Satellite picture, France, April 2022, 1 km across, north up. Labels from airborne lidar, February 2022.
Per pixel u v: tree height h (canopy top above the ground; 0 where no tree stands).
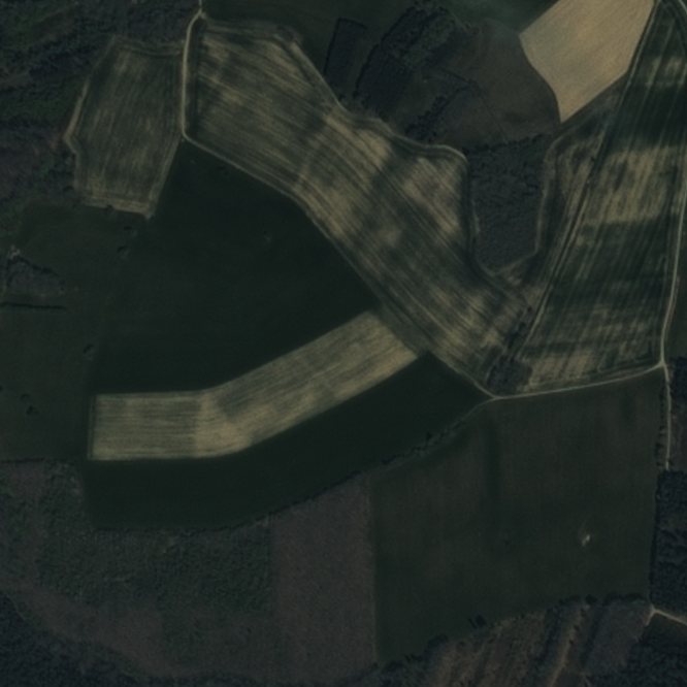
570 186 0
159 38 21
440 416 0
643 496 0
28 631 29
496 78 0
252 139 0
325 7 0
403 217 0
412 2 0
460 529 0
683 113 0
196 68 0
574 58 0
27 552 21
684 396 30
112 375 0
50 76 23
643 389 0
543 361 0
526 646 0
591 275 0
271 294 0
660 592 27
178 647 16
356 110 0
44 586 12
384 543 0
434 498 0
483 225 12
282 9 0
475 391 0
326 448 0
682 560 33
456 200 0
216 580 14
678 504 28
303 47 0
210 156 0
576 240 0
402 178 0
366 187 0
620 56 0
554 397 0
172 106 0
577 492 0
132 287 0
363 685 25
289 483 0
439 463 0
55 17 21
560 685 0
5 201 25
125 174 0
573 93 0
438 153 0
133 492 0
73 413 0
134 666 17
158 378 0
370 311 0
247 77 0
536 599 0
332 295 0
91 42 17
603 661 32
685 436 0
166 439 0
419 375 0
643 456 0
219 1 0
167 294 0
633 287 0
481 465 0
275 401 0
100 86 0
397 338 0
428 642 0
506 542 0
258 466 0
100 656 21
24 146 30
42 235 0
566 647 29
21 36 8
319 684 18
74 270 0
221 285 0
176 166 0
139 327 0
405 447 0
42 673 23
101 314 0
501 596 0
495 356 0
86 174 0
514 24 0
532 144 14
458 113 21
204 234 0
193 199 0
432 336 0
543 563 0
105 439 0
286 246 0
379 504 0
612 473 0
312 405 0
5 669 34
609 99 0
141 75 0
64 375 0
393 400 0
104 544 11
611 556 0
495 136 0
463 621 0
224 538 13
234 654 16
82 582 11
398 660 0
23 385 0
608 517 0
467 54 0
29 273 22
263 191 0
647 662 26
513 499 0
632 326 0
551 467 0
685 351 0
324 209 0
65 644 12
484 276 0
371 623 16
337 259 0
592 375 0
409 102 0
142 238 0
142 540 11
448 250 0
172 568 16
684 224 0
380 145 0
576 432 0
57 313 7
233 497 0
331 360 0
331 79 14
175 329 0
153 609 16
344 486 13
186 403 0
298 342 0
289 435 0
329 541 19
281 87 0
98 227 0
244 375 0
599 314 0
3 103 14
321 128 0
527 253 12
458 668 30
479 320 0
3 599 28
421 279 0
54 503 16
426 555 0
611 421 0
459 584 0
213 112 0
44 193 23
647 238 0
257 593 12
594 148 0
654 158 0
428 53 22
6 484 14
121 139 0
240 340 0
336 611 17
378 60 17
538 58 0
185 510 0
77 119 0
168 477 0
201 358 0
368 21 0
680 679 32
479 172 19
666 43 0
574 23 0
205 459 0
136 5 17
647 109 0
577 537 0
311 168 0
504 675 0
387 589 0
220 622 17
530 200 14
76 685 27
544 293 0
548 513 0
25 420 0
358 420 0
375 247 0
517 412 0
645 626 31
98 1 19
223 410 0
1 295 20
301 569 17
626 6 0
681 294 0
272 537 17
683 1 0
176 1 11
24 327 0
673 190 0
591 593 0
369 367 0
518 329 0
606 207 0
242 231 0
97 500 0
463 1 0
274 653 18
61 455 0
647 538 0
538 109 0
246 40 0
